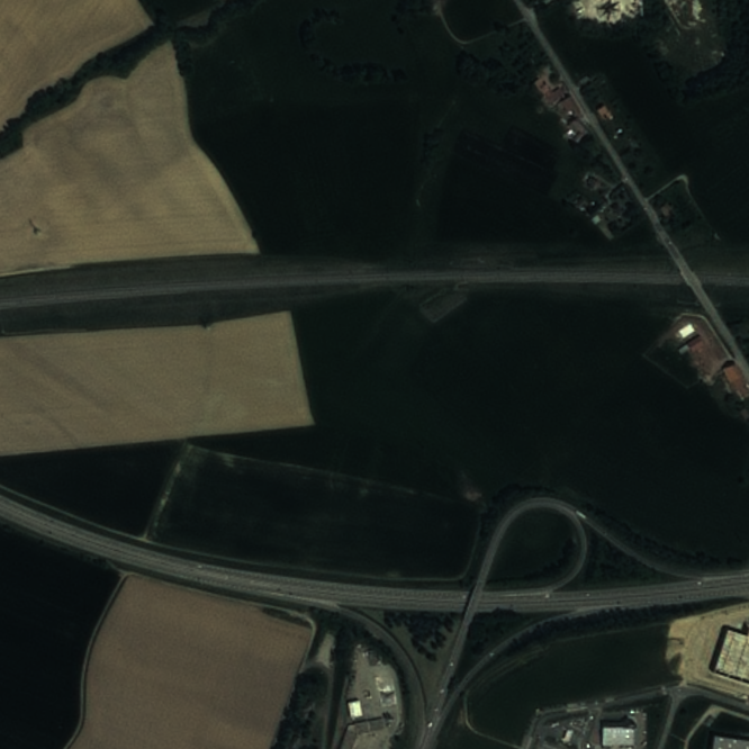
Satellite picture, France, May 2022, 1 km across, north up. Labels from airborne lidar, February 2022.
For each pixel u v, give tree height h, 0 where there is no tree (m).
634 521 0
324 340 0
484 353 0
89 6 0
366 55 0
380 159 0
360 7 0
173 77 0
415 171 0
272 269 0
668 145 0
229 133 0
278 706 0
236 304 0
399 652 0
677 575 0
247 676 0
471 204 0
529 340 0
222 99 0
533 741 0
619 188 7
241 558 0
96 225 0
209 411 0
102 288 0
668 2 0
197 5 0
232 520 0
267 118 0
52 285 0
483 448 0
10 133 14
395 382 0
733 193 0
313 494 0
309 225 0
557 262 0
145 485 0
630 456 0
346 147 0
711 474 0
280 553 0
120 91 0
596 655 0
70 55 0
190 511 0
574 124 0
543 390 0
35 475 0
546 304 0
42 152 0
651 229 0
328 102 0
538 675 0
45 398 0
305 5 0
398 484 0
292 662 0
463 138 0
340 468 0
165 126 0
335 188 0
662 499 0
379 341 0
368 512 0
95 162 0
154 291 0
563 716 0
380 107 0
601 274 0
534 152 0
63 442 0
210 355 0
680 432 0
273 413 0
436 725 0
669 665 0
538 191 0
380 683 0
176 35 22
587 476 0
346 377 0
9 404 0
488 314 0
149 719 0
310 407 0
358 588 0
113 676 0
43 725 0
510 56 8
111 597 0
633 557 0
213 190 0
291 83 0
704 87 22
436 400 0
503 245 0
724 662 0
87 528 0
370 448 0
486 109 0
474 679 0
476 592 0
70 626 0
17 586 0
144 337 0
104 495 0
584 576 0
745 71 20
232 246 0
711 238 0
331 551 0
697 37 0
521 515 0
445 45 0
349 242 0
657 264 0
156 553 0
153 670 0
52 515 0
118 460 0
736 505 0
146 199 0
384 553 0
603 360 0
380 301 0
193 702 0
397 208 0
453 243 0
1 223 0
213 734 0
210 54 0
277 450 0
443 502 0
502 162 0
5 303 0
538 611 0
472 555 0
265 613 0
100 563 8
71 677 0
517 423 0
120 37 0
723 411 0
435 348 0
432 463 0
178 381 0
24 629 0
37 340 0
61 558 0
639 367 0
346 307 0
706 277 0
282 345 0
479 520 0
